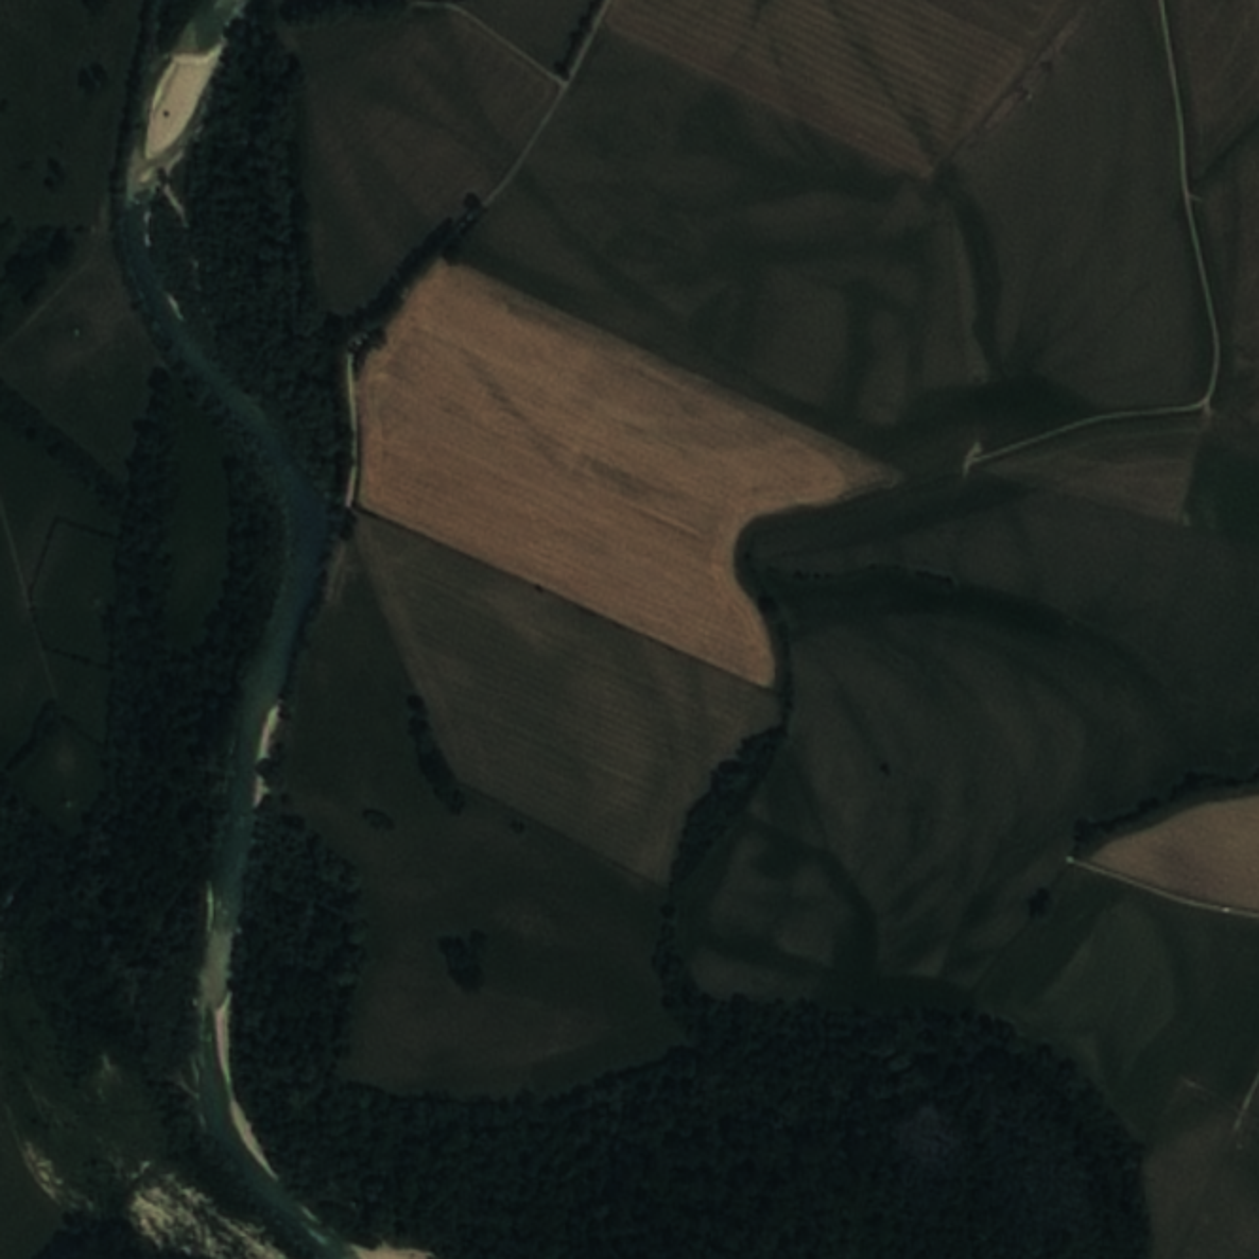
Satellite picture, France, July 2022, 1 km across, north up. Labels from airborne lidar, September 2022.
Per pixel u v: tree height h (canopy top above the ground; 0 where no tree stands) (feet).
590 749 0
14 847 36
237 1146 0
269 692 0
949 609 0
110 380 0
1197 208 0
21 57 0
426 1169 54
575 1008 0
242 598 44
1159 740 0
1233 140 0
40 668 0
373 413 0
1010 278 0
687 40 0
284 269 58
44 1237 0
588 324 0
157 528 29
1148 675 0
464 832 0
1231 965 0
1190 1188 0
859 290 0
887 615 0
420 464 0
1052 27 0
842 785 0
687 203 0
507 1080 0
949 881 0
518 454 0
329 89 0
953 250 0
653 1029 0
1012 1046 64
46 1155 0
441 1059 0
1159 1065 0
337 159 0
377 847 0
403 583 0
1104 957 0
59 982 30
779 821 0
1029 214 0
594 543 0
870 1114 59
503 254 0
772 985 0
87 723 0
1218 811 0
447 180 0
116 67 0
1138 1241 33
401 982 0
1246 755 0
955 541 0
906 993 0
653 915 0
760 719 0
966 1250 50
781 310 0
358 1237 23
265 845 23
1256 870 0
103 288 0
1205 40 0
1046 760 0
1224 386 0
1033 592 0
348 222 0
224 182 62
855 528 0
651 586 0
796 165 0
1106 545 0
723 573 0
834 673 0
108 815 34
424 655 0
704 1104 53
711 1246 36
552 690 0
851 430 0
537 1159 51
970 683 0
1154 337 0
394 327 0
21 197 0
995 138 0
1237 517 0
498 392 0
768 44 0
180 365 35
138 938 35
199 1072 0
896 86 0
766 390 0
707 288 0
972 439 0
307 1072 68
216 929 0
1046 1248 32
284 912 41
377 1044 0
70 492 0
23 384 0
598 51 0
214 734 103
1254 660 0
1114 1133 35
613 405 0
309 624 31
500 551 0
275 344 27
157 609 52
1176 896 0
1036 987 0
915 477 0
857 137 0
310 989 55
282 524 25
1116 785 0
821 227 0
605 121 0
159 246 31
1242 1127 0
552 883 0
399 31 0
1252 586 0
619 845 0
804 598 0
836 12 0
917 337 0
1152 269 0
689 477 0
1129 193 0
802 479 0
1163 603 0
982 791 0
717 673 0
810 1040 67
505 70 0
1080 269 0
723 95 0
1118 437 0
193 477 0
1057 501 0
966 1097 75
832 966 0
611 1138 75
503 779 0
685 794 0
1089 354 0
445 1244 31
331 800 0
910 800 0
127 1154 0
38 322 0
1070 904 0
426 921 0
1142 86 0
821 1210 82
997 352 0
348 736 0
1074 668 0
